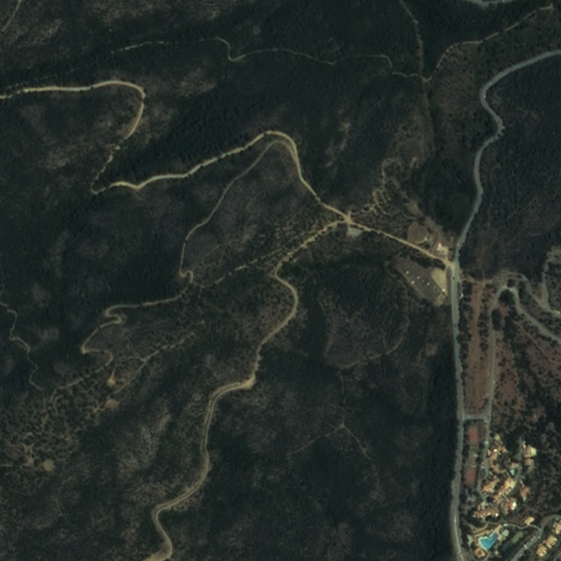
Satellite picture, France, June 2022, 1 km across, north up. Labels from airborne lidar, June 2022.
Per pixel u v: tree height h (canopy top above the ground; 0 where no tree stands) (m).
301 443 7
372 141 7
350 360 0
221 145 8
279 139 0
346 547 9
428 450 10
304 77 7
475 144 15
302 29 8
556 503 11
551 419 10
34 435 6
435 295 0
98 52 8
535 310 0
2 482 8
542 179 8
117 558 6
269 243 13
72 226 6
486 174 7
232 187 0
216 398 0
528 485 12
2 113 7
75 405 10
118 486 12
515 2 10
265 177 0
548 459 13
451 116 7
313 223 7
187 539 0
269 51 7
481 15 7
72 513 6
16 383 10
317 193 7
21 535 6
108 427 7
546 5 10
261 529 6
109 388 9
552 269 8
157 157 12
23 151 6
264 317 6
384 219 8
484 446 8
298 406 6
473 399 0
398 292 8
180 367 9
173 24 7
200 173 7
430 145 7
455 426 9
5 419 6
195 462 10
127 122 6
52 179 6
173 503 0
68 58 7
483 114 5
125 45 8
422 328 7
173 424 7
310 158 10
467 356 7
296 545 6
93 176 9
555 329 6
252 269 8
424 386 9
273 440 6
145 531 7
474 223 9
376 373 7
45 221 9
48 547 7
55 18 7
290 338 8
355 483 7
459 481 0
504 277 0
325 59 7
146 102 8
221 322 7
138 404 7
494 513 0
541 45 9
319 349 9
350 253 0
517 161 7
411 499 8
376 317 8
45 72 6
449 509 11
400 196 7
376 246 6
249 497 9
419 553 10
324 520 7
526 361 6
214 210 0
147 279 9
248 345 10
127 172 12
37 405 6
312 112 6
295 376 5
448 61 6
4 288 7
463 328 8
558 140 6
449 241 0
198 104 8
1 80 13
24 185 7
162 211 0
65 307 5
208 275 7
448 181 6
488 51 8
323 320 8
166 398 6
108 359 0
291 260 12
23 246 7
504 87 7
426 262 11
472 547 7
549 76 6
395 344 6
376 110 6
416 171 7
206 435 0
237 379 0
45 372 6
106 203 9
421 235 0
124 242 5
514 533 7
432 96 8
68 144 7
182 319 6
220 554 6
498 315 19
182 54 6
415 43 9
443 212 5
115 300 9
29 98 8
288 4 6
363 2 7
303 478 7
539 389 7
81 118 5
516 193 9
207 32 7
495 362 0
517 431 8
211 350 6
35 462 6
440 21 11
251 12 6
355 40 9
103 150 6
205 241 0
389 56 7
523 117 8
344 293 9
